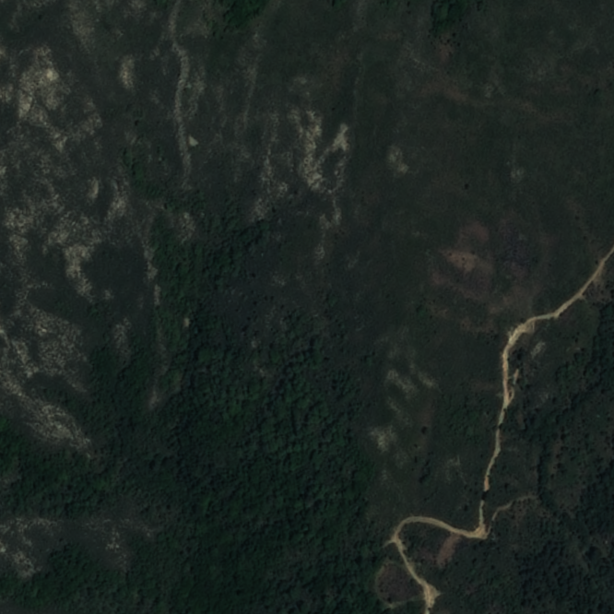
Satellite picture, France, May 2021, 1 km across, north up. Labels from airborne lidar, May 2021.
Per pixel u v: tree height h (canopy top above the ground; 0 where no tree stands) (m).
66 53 0
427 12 0
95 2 0
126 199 0
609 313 16
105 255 6
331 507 13
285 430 17
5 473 14
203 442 14
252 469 15
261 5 7
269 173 0
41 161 0
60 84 0
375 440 0
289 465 14
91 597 26
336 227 0
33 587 23
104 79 0
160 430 14
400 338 0
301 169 0
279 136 0
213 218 10
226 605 15
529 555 8
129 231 0
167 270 10
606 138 0
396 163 0
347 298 0
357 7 0
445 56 0
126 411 22
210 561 24
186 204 9
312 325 8
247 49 0
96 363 8
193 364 6
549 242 0
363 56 0
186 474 15
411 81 0
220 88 0
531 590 20
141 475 18
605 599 8
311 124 0
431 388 0
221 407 11
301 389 12
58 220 0
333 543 19
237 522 11
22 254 0
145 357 11
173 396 12
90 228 0
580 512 9
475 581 12
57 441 0
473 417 15
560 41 0
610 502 7
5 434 11
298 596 6
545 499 23
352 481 7
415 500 0
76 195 0
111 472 17
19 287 0
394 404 0
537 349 0
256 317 9
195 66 0
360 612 13
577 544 16
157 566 11
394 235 0
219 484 15
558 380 15
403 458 0
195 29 0
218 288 12
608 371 22
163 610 9
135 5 0
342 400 15
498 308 0
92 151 0
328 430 11
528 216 0
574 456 14
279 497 17
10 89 0
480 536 0
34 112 0
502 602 9
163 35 0
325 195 0
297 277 0
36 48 0
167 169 0
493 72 0
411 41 0
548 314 0
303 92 0
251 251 15
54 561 15
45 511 13
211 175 0
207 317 14
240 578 28
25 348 0
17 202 0
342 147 0
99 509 8
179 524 8
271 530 12
